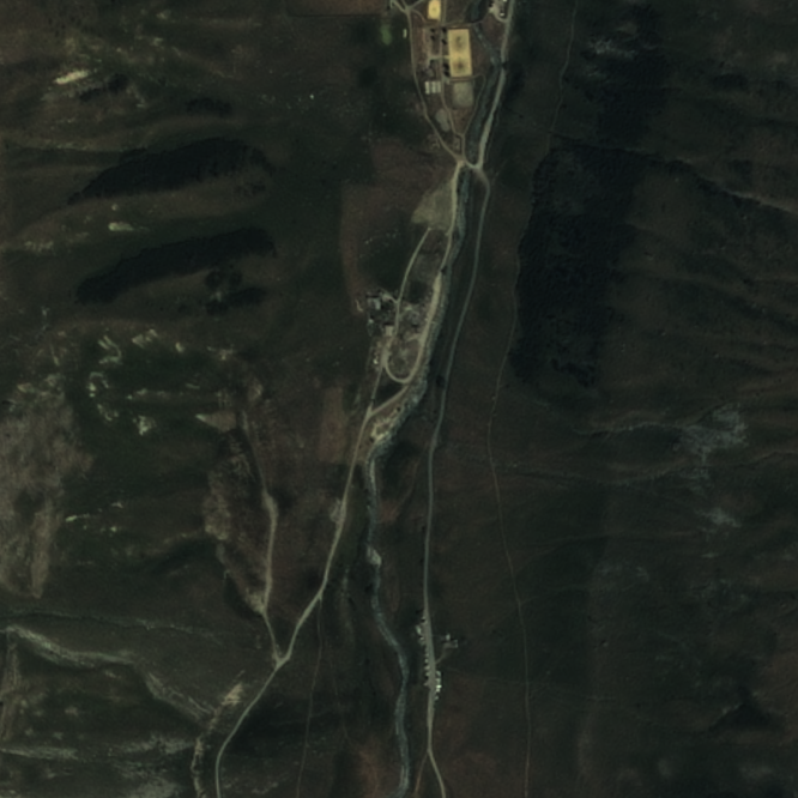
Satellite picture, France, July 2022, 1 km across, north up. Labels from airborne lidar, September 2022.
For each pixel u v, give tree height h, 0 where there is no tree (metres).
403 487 0
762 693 0
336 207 0
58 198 0
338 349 0
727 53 0
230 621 0
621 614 0
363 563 0
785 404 0
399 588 0
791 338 0
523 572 0
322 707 0
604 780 0
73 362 0
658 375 0
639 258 0
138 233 0
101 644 0
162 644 0
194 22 0
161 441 0
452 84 0
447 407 0
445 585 0
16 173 0
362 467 0
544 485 0
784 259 0
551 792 0
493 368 0
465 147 0
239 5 0
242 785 0
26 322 0
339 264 0
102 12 0
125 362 0
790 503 0
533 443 0
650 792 0
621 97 9
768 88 0
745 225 0
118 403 0
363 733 0
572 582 0
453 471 0
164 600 0
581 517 0
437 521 0
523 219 0
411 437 0
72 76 0
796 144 0
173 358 0
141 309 0
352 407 0
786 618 0
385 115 0
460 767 0
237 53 0
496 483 0
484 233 0
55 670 0
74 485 0
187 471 0
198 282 0
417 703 0
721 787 0
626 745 0
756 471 0
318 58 0
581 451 0
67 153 0
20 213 0
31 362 0
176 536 0
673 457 0
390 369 0
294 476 0
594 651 0
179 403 0
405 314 0
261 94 0
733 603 0
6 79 0
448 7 0
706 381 0
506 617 0
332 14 0
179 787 0
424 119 0
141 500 0
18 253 0
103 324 0
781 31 0
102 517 0
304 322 0
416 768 0
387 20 0
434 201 0
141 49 0
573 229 9
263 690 0
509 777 0
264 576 0
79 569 0
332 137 0
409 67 0
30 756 0
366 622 0
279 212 0
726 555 0
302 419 0
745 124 0
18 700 0
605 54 0
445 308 0
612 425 0
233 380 0
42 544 0
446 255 0
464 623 0
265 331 0
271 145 0
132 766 0
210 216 0
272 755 0
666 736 0
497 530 0
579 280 6
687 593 0
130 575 0
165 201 0
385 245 0
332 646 0
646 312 0
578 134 0
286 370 0
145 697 0
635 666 0
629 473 0
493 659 0
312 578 0
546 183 9
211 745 0
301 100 0
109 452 0
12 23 0
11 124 0
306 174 0
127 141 0
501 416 0
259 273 0
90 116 0
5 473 0
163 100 0
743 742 0
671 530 0
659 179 0
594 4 0
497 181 0
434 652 0
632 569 0
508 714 0
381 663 0
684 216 0
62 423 0
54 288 0
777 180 0
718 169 0
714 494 0
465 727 0
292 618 0
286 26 0
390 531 0
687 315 0
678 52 0
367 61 0
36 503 0
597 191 0
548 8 0
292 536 0
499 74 0
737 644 0
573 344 0
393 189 0
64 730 0
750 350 0
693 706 0
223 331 0
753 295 0
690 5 0
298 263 0
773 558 0
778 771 0
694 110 0
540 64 0
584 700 0
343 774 0
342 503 0
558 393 0
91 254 0
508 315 0
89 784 0
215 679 0
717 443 0
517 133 0
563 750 0
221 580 0
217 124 0
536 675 0
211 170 11
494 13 0
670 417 0
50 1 0
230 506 0
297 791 0
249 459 0
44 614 0
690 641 0
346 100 0
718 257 0
